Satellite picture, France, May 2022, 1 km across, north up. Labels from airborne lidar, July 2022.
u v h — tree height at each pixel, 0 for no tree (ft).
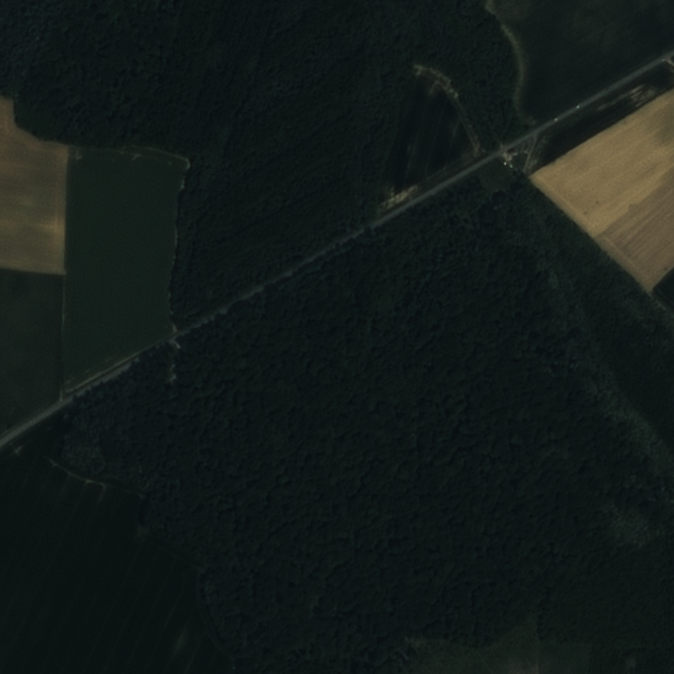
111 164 0
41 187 0
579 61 0
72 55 76
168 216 0
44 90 83
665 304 0
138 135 71
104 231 0
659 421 54
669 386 64
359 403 87
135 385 86
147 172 0
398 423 90
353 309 84
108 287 0
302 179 58
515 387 95
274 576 98
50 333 0
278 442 88
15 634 0
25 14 80
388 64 82
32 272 0
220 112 83
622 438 74
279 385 88
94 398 46
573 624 59
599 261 65
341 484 91
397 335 77
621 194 0
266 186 83
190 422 93
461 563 87
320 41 62
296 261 65
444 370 68
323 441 92
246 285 59
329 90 86
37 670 0
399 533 81
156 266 0
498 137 59
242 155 77
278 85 67
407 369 75
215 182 61
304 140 72
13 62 88
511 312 65
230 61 86
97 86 60
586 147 0
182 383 86
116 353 0
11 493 0
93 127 73
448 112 0
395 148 0
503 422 91
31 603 0
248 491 82
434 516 100
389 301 44
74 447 65
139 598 0
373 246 73
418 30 72
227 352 85
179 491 89
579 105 0
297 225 77
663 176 0
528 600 87
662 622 55
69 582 0
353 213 78
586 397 79
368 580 76
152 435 104
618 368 54
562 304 89
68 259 0
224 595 87
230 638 78
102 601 0
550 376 85
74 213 0
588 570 65
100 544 0
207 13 78
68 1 67
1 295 0
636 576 59
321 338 88
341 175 67
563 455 92
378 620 92
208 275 67
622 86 0
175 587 0
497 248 89
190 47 83
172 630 0
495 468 102
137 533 0
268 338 87
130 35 74
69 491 0
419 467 75
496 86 71
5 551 0
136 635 0
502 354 90
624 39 0
